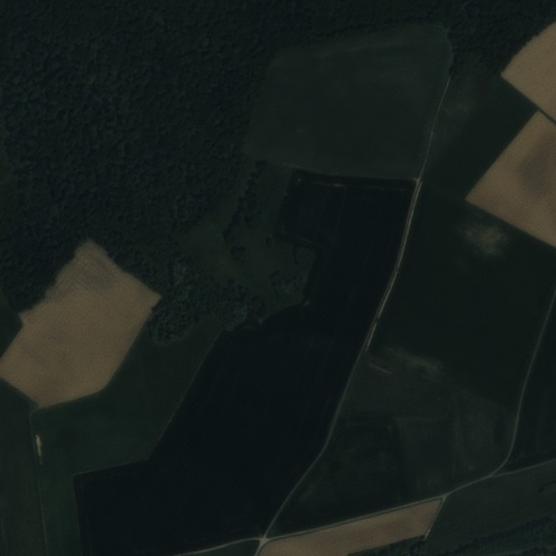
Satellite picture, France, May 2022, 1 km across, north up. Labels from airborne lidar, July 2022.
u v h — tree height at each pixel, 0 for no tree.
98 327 0
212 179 30
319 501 0
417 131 0
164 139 28
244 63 25
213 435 0
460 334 0
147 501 0
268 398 0
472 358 0
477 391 0
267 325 0
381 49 0
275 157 0
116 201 27
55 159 27
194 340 0
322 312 0
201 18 24
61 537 0
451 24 12
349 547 0
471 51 22
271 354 0
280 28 11
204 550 0
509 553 0
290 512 0
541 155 0
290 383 0
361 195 0
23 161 28
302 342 0
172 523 0
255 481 0
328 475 0
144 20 23
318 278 0
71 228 30
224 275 0
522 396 0
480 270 0
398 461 0
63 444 0
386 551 13
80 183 27
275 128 0
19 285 26
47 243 27
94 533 0
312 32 14
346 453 0
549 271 0
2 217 7
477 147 0
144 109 26
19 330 0
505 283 0
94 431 0
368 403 0
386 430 0
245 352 0
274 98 0
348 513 0
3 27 25
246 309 18
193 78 25
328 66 0
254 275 0
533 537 26
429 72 0
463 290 0
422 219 0
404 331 0
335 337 0
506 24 29
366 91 0
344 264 0
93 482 0
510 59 13
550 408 0
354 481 0
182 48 23
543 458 0
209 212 25
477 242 0
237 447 0
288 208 0
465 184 0
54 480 0
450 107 0
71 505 0
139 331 0
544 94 0
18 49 25
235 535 0
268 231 0
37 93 26
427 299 0
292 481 0
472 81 0
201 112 27
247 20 25
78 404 0
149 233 30
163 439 0
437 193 0
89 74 25
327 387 0
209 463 0
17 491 0
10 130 26
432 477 0
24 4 20
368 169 0
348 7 9
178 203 16
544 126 0
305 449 0
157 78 28
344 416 0
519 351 0
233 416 0
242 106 23
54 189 27
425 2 10
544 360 0
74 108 26
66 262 6
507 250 0
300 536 0
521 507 0
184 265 23
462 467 0
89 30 23
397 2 10
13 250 26
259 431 0
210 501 0
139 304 0
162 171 32
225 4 21
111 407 0
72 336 0
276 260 0
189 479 0
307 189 0
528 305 0
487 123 0
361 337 0
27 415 0
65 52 29
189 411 0
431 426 0
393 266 0
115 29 27
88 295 0
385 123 0
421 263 0
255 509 0
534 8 26
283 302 15
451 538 0
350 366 0
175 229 28
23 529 0
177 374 0
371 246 0
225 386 0
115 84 25
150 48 18
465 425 0
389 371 0
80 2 26
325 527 0
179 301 10
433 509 0
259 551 0
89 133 32
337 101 0
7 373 0
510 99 0
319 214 0
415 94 0
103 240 18
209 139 22
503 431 0
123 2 21
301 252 18
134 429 0
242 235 0
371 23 6
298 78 0
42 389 0
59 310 0
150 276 14
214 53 21
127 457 0
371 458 0
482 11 29
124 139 30
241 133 28
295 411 0
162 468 0
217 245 0
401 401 0
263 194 0
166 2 22
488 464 0
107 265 0
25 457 0
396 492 0
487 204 0
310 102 0
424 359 0
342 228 0
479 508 0
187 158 22
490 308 0
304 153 0
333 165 0
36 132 24
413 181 0
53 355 0
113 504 0
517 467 0
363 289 0
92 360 0
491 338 0
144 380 0
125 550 0
